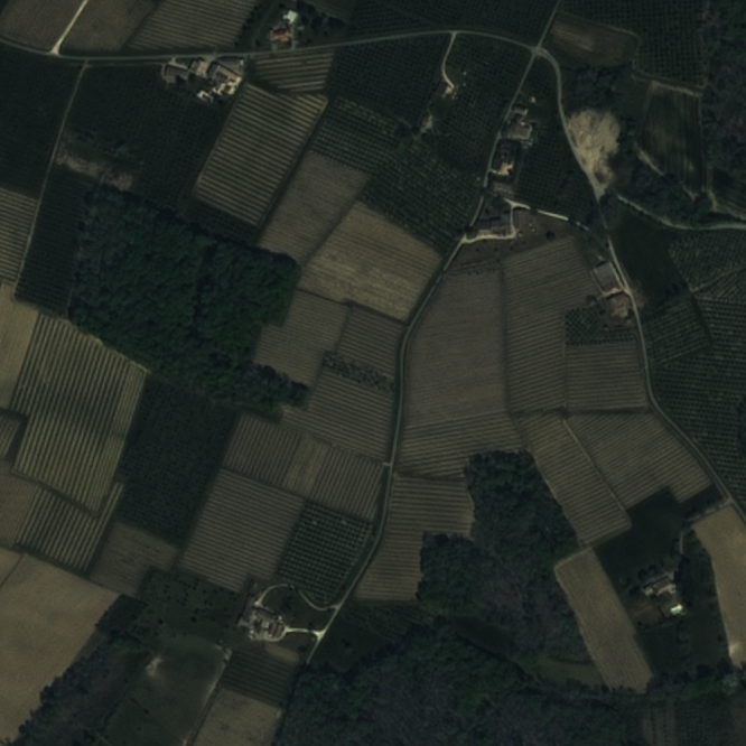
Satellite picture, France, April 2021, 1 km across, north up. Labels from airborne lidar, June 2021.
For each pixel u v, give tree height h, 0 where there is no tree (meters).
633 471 0
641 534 0
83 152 0
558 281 0
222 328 24
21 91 0
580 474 0
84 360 0
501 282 0
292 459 0
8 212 0
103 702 0
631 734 8
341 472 0
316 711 22
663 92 0
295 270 18
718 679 12
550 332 0
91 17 0
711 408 6
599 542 0
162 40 0
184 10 0
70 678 12
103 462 0
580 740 22
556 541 19
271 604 0
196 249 23
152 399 6
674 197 21
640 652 0
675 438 0
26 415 0
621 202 17
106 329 24
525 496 6
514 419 0
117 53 0
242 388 20
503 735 22
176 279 27
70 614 0
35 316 0
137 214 25
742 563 0
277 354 0
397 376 0
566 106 9
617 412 0
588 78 12
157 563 0
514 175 9
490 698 10
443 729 22
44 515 0
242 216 0
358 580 0
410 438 0
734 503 0
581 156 0
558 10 0
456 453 0
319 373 0
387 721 20
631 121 6
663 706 6
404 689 20
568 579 0
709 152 17
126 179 0
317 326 0
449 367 0
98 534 0
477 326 0
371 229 0
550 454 0
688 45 0
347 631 0
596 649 0
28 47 0
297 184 0
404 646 19
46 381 0
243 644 0
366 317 0
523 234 0
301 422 0
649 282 0
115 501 0
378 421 0
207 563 0
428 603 19
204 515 0
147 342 24
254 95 0
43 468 0
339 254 0
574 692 22
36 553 0
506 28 6
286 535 0
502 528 18
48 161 0
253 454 0
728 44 20
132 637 13
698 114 0
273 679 0
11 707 0
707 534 0
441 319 0
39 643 0
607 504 0
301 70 0
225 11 0
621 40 0
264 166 0
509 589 16
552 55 0
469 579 20
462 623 0
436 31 0
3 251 0
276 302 22
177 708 0
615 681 0
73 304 5
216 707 0
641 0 0
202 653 0
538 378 0
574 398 0
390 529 0
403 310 0
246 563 0
